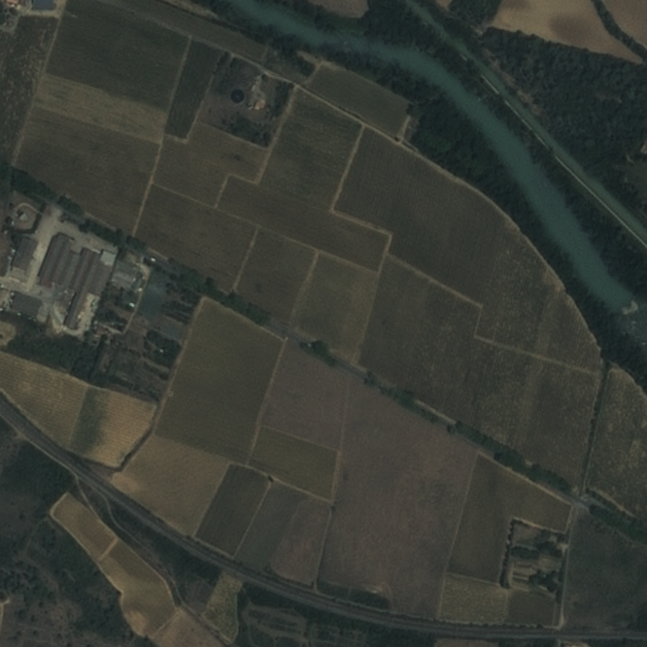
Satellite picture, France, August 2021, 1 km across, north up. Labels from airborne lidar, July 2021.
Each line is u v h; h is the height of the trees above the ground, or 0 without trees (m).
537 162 13
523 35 13
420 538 0
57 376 0
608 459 0
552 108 8
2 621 0
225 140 0
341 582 0
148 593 0
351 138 0
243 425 0
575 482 0
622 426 0
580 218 11
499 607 0
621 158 20
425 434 0
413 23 18
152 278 0
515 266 0
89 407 0
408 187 0
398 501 0
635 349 14
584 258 0
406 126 0
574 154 18
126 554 0
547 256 7
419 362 0
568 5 0
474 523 0
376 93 0
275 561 0
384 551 0
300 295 0
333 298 0
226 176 0
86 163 0
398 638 6
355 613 0
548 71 9
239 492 0
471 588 0
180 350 8
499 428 0
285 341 0
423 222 0
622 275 26
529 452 0
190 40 0
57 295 0
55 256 0
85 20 0
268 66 0
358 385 0
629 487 0
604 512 18
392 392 13
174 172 0
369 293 0
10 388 0
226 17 19
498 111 20
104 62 0
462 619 0
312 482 0
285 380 0
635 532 20
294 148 0
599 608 0
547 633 0
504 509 0
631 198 6
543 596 0
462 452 0
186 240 0
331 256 0
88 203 0
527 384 0
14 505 6
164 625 0
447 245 0
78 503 0
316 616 7
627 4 0
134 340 0
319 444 0
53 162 0
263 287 0
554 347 0
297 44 23
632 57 0
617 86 19
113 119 0
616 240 14
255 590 5
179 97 0
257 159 0
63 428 0
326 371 0
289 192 0
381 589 0
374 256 0
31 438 0
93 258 0
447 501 0
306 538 0
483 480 0
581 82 10
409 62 0
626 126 15
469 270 0
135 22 0
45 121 0
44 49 0
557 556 7
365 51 0
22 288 0
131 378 0
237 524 0
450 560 0
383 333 0
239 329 0
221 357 0
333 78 0
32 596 11
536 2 0
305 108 0
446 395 0
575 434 0
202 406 0
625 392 0
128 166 0
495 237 0
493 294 0
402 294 0
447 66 10
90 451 0
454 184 0
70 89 0
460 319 0
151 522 0
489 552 0
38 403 0
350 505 0
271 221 0
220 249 0
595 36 0
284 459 0
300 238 0
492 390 0
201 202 0
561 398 0
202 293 13
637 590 0
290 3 6
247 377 0
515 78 16
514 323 0
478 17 7
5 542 7
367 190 0
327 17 18
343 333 0
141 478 0
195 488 0
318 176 0
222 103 0
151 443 0
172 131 0
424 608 0
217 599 0
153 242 0
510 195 18
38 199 6
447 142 21
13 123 0
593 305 12
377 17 18
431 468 0
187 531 0
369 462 0
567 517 0
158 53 0
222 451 0
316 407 0
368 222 0
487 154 23
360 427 0
